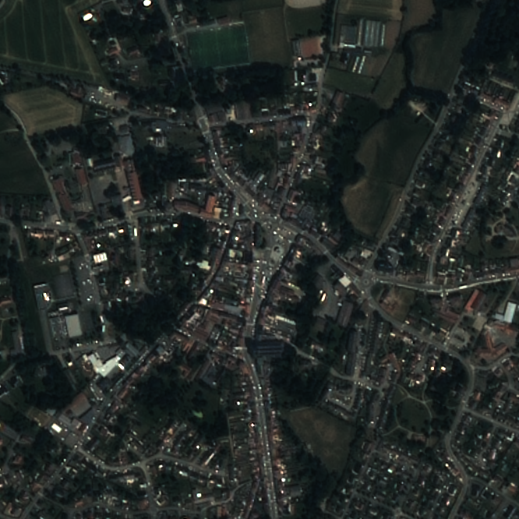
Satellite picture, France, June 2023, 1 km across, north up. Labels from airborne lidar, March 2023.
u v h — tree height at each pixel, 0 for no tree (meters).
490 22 26
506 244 0
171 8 7
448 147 0
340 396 0
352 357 0
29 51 0
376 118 0
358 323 0
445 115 0
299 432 0
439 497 0
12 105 0
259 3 0
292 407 5
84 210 0
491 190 0
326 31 16
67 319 0
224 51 0
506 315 0
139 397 16
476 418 0
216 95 24
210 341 11
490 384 10
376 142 0
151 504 0
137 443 0
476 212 10
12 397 0
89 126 11
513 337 0
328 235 0
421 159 0
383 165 0
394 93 0
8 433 0
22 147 0
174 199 0
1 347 0
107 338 0
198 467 0
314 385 13
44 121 0
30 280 0
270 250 0
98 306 0
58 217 0
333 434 0
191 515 0
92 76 0
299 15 0
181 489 0
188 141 0
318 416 0
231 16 0
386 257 13
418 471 0
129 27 15
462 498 0
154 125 0
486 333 0
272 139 7
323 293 0
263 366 0
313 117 0
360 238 8
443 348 0
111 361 0
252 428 0
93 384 0
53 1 0
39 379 0
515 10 28
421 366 0
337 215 15
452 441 0
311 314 14
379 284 0
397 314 0
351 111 0
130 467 0
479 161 0
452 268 0
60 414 0
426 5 0
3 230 27
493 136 0
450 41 0
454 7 13
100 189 0
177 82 22
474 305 0
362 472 0
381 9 0
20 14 0
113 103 0
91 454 0
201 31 0
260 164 7
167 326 21
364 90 0
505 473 0
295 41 0
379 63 0
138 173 6
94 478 6
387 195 0
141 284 0
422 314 9
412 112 0
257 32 0
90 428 0
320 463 26
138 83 0
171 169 21
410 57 13
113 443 0
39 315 0
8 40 0
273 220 0
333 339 13
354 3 0
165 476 11
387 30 0
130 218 0
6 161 0
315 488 24
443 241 0
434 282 0
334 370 0
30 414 0
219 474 0
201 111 0
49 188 0
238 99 25
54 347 0
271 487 0
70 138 24
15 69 16
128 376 0
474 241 0
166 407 8
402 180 0
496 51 29
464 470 0
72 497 7
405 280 0
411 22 0
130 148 0
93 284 0
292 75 0
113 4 0
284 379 19
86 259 0
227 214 0
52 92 0
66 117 0
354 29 0
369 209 0
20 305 30
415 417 0
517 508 0
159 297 19
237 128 16
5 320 0
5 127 0
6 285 0
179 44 0
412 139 0
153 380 18
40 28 0
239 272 0
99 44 0
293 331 0
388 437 0
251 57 0
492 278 0
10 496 11
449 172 0
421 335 0
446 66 0
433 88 0
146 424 0
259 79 6
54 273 0
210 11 0
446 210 0
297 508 0
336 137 17
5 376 0
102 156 11
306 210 0
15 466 10
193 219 12
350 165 0
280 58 0
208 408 0
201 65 0
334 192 25
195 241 25
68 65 0
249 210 0
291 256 0
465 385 0
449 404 0
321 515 14
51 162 0
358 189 0
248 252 0
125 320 12
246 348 0
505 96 0
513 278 0
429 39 0
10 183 0
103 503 0
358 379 0
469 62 22
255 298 0
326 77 0
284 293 0
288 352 23
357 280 0
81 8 0
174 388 17
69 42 0
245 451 0
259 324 0
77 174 0
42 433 12
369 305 0
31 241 7
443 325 0
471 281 0
